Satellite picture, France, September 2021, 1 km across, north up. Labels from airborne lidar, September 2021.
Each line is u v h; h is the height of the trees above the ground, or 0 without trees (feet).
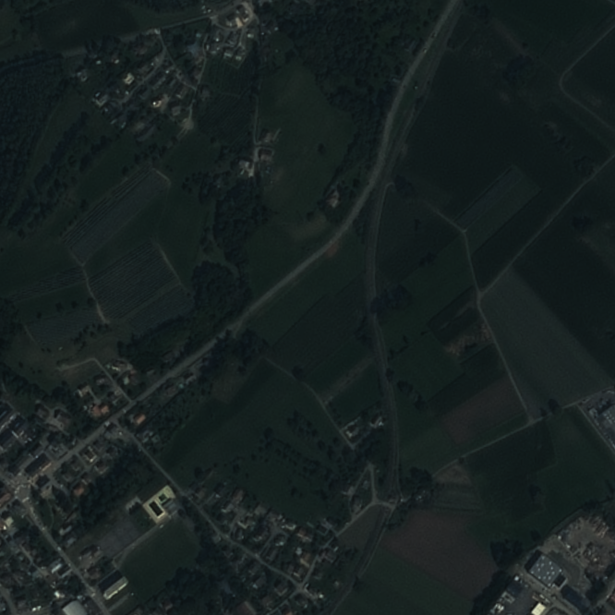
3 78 52
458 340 0
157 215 0
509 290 0
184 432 0
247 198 58
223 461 0
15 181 70
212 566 47
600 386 0
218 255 0
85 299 0
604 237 0
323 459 0
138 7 0
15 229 52
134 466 72
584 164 32
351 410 0
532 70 53
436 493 18
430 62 0
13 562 23
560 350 0
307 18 28
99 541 0
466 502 0
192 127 0
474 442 0
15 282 0
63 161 61
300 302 0
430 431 0
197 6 35
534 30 0
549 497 0
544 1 0
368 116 35
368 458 42
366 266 0
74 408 56
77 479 0
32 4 43
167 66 0
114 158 0
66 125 0
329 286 0
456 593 0
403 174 0
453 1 0
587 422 0
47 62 68
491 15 44
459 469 0
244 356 47
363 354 0
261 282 0
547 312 0
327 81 61
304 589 0
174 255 0
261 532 0
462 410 0
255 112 31
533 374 0
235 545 0
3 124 65
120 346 31
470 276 0
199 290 39
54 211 46
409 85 0
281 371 0
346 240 0
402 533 0
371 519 0
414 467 0
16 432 0
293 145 0
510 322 0
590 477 0
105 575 25
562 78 0
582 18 0
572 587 0
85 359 0
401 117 0
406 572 0
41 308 0
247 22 0
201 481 35
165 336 57
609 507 0
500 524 0
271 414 0
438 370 0
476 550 0
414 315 0
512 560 69
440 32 0
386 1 37
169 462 0
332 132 0
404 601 0
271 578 62
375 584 0
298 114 0
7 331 42
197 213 0
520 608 0
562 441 0
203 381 30
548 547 0
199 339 25
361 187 44
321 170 0
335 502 0
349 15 55
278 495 0
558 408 58
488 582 0
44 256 0
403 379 0
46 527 0
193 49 0
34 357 0
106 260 0
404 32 40
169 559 0
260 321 0
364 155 41
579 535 0
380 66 20
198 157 0
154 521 0
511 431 0
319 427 0
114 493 51
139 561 0
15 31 30
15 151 27
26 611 0
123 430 0
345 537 0
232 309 42
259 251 0
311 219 30
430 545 0
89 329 30
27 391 82
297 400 0
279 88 0
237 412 0
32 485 0
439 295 0
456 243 0
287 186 0
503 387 0
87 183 0
